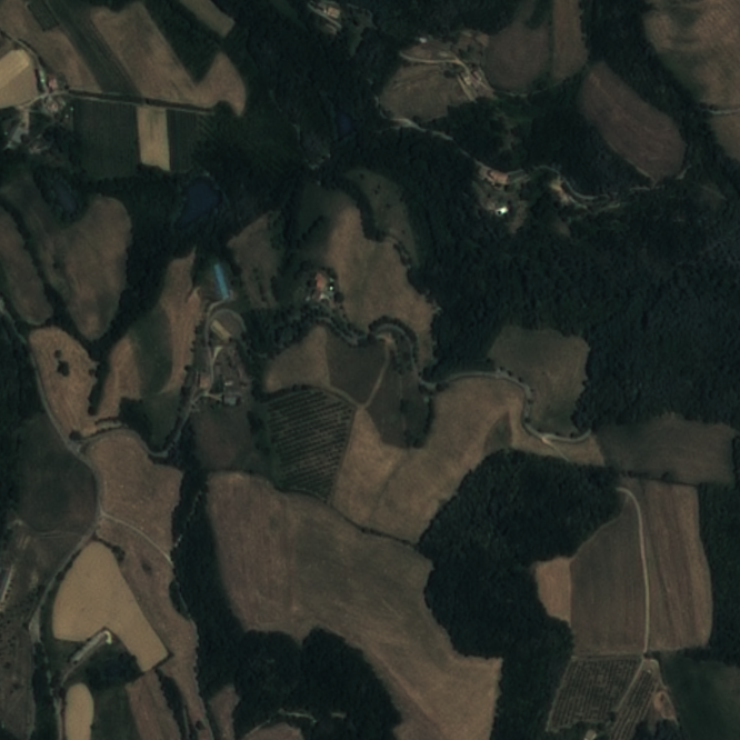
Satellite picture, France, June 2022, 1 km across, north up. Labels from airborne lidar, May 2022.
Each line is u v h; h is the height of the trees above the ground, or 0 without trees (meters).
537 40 0
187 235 12
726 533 22
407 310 0
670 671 0
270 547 0
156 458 7
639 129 0
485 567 26
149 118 0
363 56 16
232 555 0
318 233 8
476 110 10
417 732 0
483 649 19
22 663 0
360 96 11
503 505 17
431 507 0
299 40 9
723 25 0
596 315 17
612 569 0
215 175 11
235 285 7
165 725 0
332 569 0
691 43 0
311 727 12
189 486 14
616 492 12
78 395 0
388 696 13
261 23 16
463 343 25
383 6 27
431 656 0
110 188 11
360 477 0
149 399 0
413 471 0
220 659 15
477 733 0
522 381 9
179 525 10
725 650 14
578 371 0
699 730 0
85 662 0
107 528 0
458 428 0
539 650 18
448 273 21
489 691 0
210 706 5
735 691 0
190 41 8
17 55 0
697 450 0
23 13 0
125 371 0
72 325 10
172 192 13
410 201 7
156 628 0
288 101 17
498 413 0
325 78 13
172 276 0
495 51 0
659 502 0
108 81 0
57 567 0
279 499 0
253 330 12
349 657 16
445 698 0
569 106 9
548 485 24
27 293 0
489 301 30
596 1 10
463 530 24
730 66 0
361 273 0
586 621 0
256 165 7
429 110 0
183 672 0
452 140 8
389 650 0
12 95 0
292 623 0
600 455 0
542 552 18
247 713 13
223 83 0
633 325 19
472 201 16
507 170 11
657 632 0
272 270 0
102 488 0
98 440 0
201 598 15
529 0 0
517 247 21
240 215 10
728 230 14
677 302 13
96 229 0
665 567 0
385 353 0
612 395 18
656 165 0
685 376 20
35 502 0
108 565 0
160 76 0
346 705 15
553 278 27
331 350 0
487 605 23
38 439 0
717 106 8
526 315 21
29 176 0
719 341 20
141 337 0
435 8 12
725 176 11
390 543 0
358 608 0
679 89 17
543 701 15
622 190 14
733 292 26
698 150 16
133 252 15
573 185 8
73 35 0
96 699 0
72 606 0
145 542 0
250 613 0
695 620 0
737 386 15
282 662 16
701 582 0
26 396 11
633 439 0
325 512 0
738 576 21
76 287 0
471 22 8
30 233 8
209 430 0
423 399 0
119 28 0
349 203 0
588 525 21
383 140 17
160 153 0
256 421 11
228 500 0
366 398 0
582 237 12
